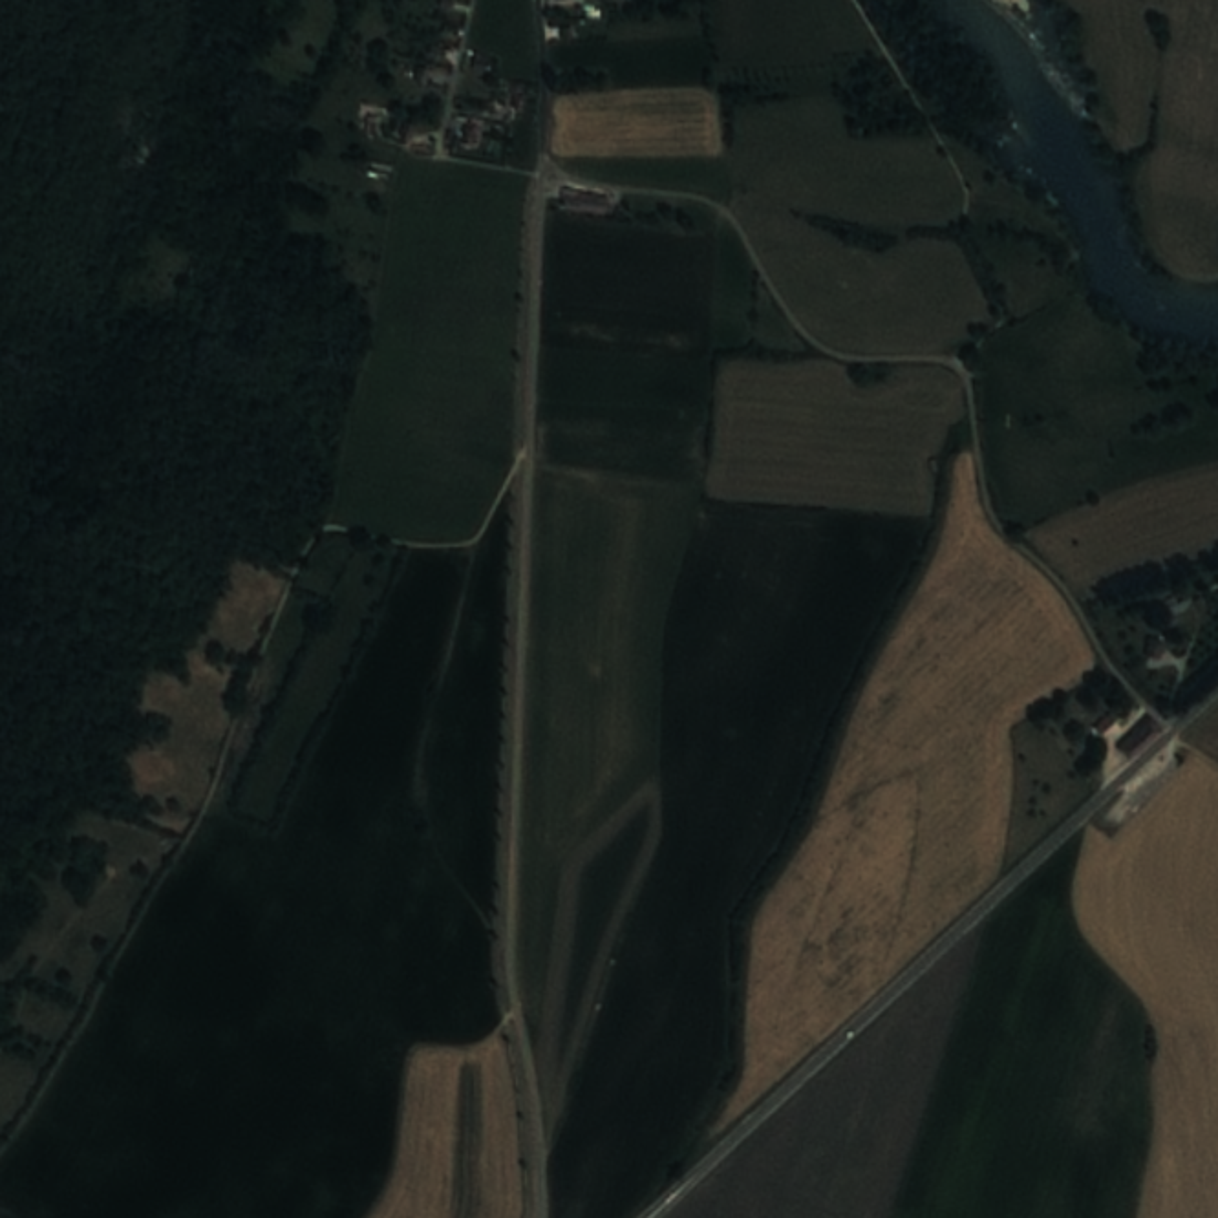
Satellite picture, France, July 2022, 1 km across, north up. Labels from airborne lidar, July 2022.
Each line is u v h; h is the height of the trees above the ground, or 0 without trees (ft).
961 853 0
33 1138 0
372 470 0
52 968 0
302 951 0
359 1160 0
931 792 0
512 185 0
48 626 55
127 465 55
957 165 0
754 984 0
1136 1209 0
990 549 0
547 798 0
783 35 0
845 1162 0
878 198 0
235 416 24
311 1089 0
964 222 36
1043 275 0
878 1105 0
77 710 53
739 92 50
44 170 41
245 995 0
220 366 73
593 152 0
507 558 0
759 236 0
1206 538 0
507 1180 0
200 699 0
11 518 74
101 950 30
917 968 0
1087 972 0
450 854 0
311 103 52
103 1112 0
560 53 0
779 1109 0
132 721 56
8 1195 0
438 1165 0
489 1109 0
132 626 58
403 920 0
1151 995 0
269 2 56
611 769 0
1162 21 45
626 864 0
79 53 39
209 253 30
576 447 0
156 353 66
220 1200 0
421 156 0
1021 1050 0
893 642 0
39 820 71
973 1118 0
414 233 0
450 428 0
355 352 77
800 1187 0
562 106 0
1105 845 0
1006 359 0
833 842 0
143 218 42
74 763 63
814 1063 0
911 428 0
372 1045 0
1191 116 0
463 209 0
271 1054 0
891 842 0
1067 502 0
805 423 0
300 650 22
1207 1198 0
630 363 0
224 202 59
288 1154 0
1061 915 0
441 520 0
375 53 44
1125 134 0
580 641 0
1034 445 0
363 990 0
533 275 0
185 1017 0
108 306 37
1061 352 0
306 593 25
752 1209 0
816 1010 0
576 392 0
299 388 29
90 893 24
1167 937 0
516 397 0
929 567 0
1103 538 0
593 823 0
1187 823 0
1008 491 0
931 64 63
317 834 0
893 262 0
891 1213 0
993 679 0
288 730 0
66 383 82
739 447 0
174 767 0
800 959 0
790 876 0
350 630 0
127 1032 0
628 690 0
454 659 0
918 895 0
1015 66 0
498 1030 0
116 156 36
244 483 26
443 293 0
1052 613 0
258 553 49
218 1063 0
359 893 0
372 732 0
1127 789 0
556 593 0
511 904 0
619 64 0
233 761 0
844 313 0
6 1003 37
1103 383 0
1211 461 0
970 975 0
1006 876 0
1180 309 0
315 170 0
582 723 0
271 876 0
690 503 0
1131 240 0
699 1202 0
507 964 0
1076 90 0
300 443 31
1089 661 0
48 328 56
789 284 0
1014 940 0
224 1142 0
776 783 0
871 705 0
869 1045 0
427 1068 0
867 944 0
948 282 0
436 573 0
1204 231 0
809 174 0
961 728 0
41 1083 24
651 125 0
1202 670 26
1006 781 0
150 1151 0
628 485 0
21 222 39
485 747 0
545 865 0
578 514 0
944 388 0
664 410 0
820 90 0
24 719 77
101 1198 0
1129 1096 0
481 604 0
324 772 0
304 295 73
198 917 0
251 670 22
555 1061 0
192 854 0
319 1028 0
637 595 0
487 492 0
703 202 0
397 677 0
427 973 0
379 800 0
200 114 52
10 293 64
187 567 28
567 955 0
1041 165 0
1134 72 0
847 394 0
